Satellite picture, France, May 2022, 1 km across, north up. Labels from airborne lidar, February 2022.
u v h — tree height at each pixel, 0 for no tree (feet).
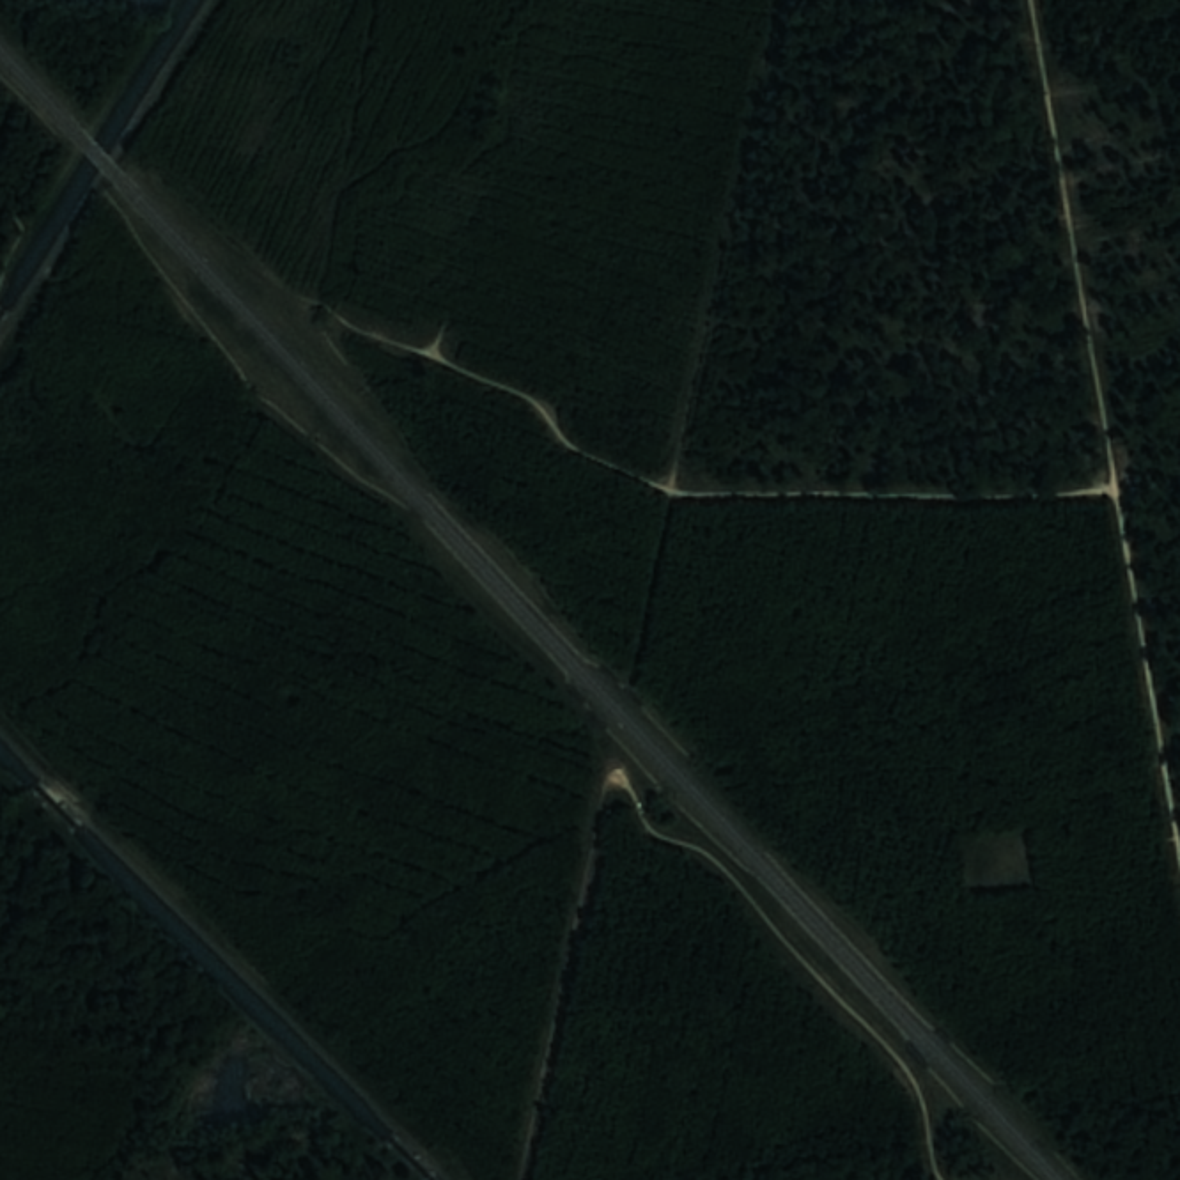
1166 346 0
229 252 0
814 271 92
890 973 0
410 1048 47
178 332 21
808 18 80
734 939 55
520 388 0
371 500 42
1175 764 86
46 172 73
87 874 85
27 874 96
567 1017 52
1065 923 47
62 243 0
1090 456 85
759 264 89
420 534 0
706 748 40
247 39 0
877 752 56
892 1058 0
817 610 46
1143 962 45
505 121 32
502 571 0
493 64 37
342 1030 56
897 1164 84
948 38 90
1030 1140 0
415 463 0
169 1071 53
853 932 0
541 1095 0
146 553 50
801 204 86
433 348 0
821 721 53
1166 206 84
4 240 77
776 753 56
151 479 67
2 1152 26
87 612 58
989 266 87
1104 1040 50
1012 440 74
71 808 0
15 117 59
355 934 38
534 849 45
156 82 0
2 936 90
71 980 74
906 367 82
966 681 58
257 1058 0
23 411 60
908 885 54
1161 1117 77
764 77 0
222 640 0
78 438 49
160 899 0
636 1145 44
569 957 0
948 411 90
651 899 51
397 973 52
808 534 56
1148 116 102
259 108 0
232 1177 0
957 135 105
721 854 0
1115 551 39
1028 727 56
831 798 52
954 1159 72
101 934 86
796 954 0
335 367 0
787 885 0
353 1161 84
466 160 35
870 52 101
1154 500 88
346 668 49
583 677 0
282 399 0
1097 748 51
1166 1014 27
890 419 89
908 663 51
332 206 0
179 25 0
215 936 0
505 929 28
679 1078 52
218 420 62
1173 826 0
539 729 52
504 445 0
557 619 0
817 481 0
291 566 0
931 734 61
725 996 53
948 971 47
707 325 0
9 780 0
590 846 0
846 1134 50
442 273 0
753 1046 43
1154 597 0
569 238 19
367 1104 0
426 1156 0
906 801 52
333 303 21
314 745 52
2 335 0
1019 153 96
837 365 0
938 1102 0
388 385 37
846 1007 0
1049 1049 49
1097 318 0
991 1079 0
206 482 62
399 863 52
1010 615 47
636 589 49
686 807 0
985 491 0
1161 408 85
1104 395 0
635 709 0
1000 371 77
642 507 48
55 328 39
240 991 0
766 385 92
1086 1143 82
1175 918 49
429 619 51
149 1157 50
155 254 0
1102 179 91
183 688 0
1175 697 76
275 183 0
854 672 33
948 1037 0
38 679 47
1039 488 80
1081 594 60
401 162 46
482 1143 0
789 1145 51
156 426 43
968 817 41
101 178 0
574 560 52
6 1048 53
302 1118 66
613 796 0
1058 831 46
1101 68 98
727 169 22
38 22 79
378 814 0
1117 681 55
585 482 0
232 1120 60
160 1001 101
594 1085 0
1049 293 82
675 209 18
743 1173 84
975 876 0
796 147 77
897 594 36
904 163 89
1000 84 92
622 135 23
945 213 88
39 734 30
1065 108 0
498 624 0
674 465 0
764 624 43
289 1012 0
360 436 0
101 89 34
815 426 88
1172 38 73
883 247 87
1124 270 76
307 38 0
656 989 55
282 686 60
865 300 94
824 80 84
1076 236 0
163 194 0
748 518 46
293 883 52
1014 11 84
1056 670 48
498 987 50
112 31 82
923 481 79
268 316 0
